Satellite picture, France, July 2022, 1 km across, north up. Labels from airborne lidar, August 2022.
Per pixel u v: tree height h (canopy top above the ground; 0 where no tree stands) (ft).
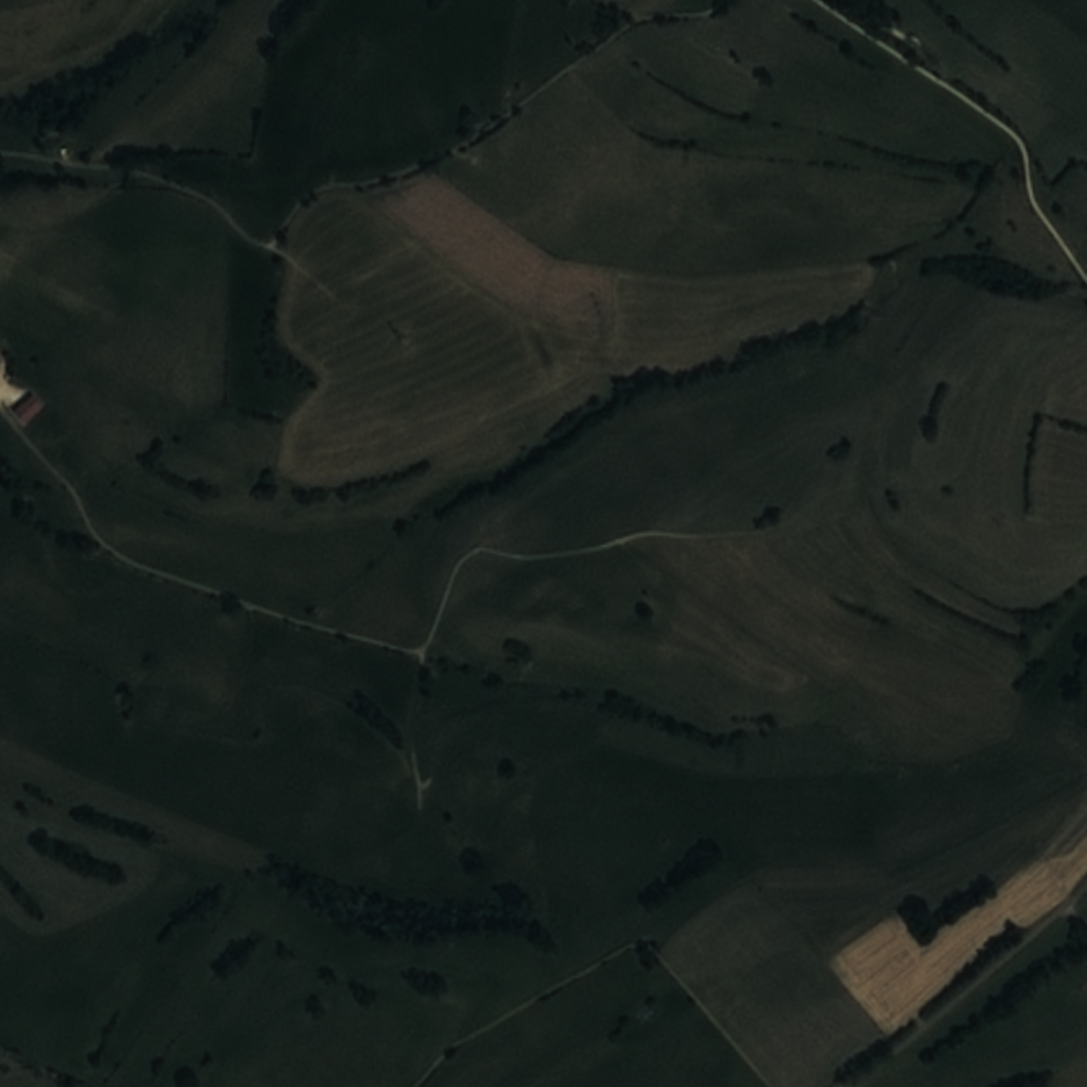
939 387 22
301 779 0
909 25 0
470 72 0
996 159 0
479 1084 0
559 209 0
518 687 0
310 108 0
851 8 56
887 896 0
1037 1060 0
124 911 0
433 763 0
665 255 0
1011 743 0
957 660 0
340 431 0
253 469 0
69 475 0
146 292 0
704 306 0
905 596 0
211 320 0
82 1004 0
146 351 0
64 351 0
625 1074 0
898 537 0
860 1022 0
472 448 0
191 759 0
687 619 0
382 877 0
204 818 0
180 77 0
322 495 26
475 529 0
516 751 0
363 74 0
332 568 0
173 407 0
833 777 0
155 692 0
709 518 0
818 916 0
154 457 22
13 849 0
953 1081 0
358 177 0
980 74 0
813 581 0
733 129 0
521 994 0
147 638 0
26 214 0
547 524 0
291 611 0
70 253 0
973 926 0
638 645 0
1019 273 30
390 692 0
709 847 60
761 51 0
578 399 0
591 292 0
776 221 0
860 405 0
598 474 0
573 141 0
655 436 0
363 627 0
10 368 30
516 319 0
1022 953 0
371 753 0
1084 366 0
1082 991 0
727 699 0
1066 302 0
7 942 0
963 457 0
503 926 65
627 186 0
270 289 0
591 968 0
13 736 0
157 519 0
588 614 0
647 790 0
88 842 0
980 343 0
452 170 0
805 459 0
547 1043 0
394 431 0
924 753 0
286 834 0
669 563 0
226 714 0
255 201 0
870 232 0
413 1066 0
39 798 31
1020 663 0
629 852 0
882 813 0
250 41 0
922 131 0
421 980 47
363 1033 0
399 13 0
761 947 0
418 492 0
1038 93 0
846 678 0
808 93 0
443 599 0
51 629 0
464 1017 0
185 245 0
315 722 0
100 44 0
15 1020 0
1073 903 0
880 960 0
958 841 0
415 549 0
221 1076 0
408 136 0
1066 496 0
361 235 0
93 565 0
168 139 0
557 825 0
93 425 0
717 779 0
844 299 0
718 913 0
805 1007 0
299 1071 0
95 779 0
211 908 60
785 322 0
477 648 0
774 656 0
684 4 0
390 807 0
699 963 0
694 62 0
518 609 0
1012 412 0
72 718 0
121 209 0
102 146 0
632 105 0
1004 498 0
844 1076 51
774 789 0
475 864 76
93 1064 39
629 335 0
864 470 0
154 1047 0
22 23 0
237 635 0
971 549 0
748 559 0
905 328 0
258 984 0
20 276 0
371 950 0
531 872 0
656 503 0
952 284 0
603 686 0
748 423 0
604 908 0
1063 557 0
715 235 0
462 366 0
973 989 0
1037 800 0
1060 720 0
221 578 0
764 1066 0
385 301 0
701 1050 0
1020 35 0
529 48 0
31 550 0
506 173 0
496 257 0
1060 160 0
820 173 0
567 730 0
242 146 0
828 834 0
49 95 44
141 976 0
